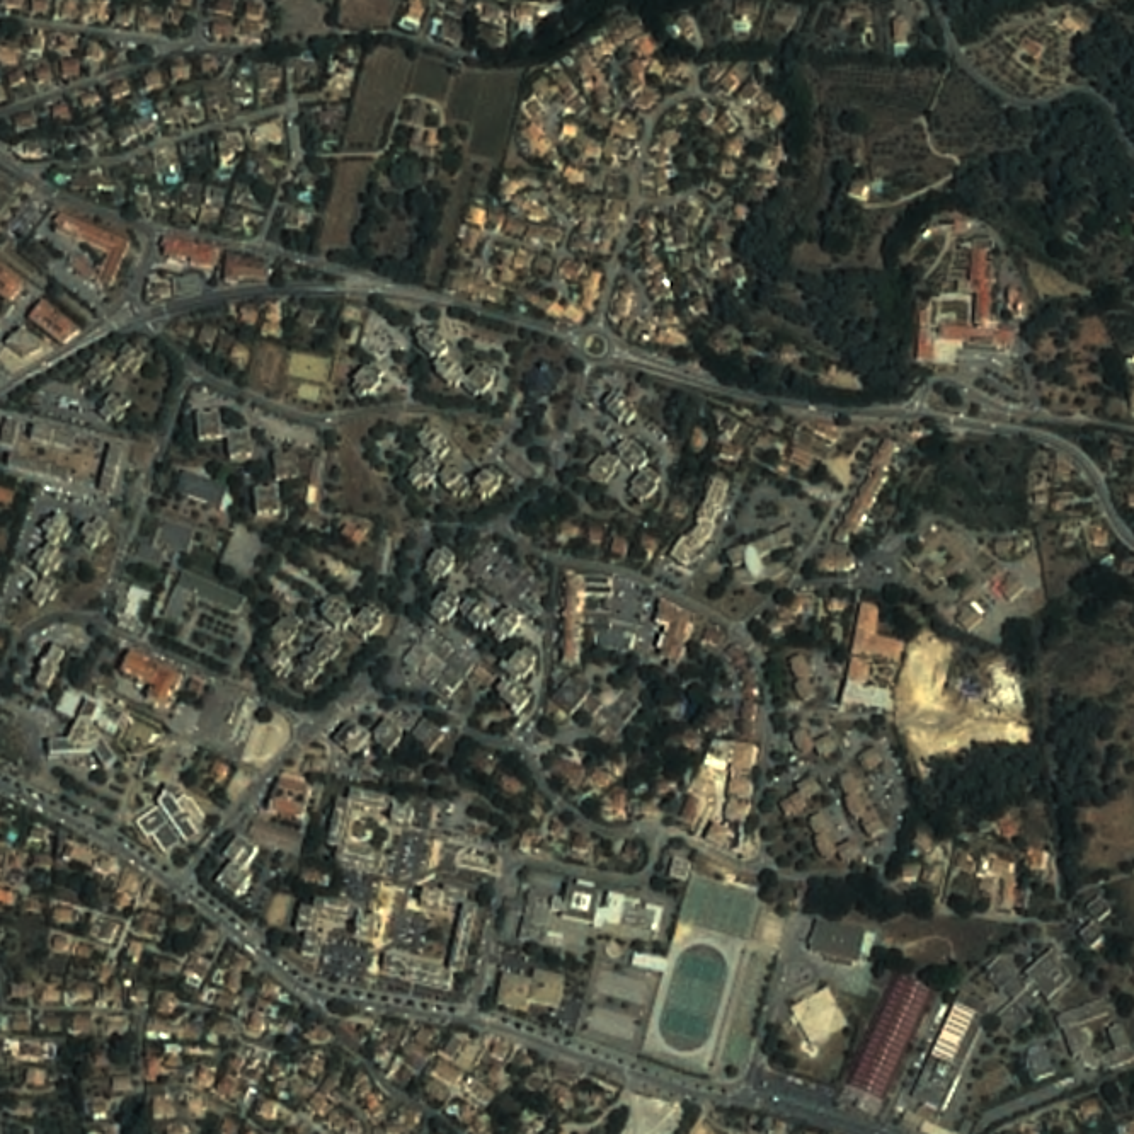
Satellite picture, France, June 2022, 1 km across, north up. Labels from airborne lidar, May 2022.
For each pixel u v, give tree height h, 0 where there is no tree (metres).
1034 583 0
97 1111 0
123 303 0
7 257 0
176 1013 7
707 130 10
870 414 0
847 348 22
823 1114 0
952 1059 0
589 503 10
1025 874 10
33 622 0
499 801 9
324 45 16
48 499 0
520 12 0
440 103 0
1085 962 11
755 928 0
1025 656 16
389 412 0
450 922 0
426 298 0
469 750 11
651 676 19
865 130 17
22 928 0
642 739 12
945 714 0
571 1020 0
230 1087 0
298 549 10
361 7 0
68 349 0
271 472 17
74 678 16
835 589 9
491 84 0
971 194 19
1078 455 0
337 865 9
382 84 0
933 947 0
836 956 0
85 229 0
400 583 13
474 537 16
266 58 11
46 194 0
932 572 0
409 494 15
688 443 7
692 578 0
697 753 8
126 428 14
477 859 0
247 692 0
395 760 11
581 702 0
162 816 0
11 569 7
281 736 0
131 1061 14
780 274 19
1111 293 9
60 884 11
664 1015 0
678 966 0
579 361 12
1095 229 14
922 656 0
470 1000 0
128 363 0
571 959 9
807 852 11
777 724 12
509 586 0
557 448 0
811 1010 0
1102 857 0
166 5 10
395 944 0
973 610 0
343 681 12
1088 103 11
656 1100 0
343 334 8
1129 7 7
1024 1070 8
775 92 12
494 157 0
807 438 0
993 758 24
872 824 0
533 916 0
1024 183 26
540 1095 10
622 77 7
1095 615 14
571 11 15
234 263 0
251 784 0
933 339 0
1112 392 11
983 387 7
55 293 17
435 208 10
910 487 10
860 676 0
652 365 0
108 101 7
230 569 12
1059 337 14
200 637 9
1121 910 7
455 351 0
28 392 9
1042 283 0
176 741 0
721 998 0
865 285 21
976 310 0
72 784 10
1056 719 10
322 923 0
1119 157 22
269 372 0
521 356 12
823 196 0
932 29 14
